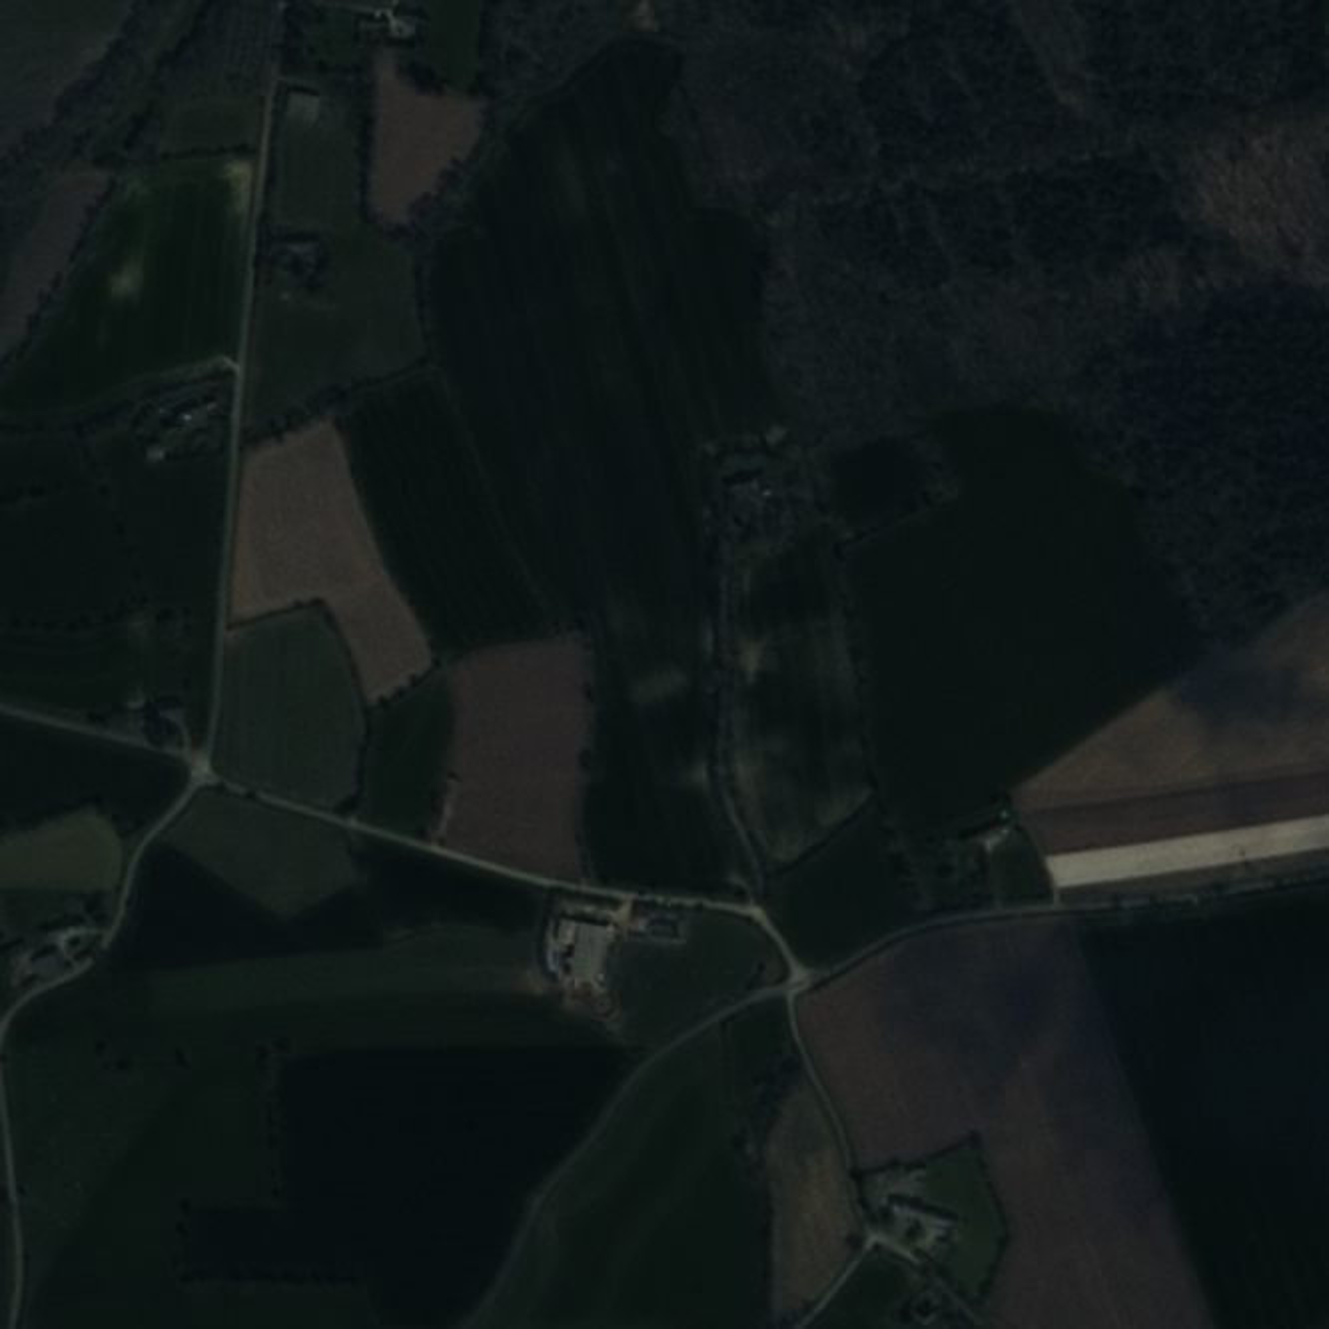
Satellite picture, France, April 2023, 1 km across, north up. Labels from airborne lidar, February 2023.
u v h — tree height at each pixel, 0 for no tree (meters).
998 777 0
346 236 0
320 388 0
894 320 23
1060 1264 0
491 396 0
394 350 0
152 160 10
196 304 0
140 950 0
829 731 0
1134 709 0
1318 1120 0
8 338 0
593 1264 0
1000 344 21
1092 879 0
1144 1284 0
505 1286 0
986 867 17
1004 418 0
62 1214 0
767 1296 12
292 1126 0
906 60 18
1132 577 0
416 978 0
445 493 0
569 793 0
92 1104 0
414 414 0
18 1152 0
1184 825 0
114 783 0
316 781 0
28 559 0
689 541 0
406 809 0
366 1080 0
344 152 0
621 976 0
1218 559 16
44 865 0
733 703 11
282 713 0
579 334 0
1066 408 11
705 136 17
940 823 0
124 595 0
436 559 0
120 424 9
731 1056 0
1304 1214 0
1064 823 0
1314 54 17
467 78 0
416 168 0
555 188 0
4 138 0
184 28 0
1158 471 13
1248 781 0
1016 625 0
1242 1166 0
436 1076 0
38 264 0
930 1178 0
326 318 0
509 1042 0
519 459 0
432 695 0
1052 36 19
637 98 0
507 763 0
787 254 21
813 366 21
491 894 0
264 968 0
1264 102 24
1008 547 0
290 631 0
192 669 0
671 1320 0
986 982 0
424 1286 0
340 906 0
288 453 0
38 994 0
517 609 0
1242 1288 0
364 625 0
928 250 25
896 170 24
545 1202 0
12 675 0
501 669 0
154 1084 0
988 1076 0
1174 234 24
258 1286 11
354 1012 0
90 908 7
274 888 0
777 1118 8
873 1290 0
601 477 0
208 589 0
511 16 11
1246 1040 0
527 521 0
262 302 0
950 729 0
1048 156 23
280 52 19
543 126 0
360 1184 0
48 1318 0
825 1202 0
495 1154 0
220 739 0
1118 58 26
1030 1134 0
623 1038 0
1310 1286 0
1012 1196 0
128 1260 0
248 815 0
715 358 0
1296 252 19
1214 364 25
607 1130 0
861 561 0
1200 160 20
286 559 0
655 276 0
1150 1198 0
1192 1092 0
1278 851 0
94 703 0
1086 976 0
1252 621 18
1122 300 18
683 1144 0
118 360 0
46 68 0
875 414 21
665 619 0
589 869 8
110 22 0
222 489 0
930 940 0
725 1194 0
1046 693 0
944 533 0
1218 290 18
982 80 21
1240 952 0
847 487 0
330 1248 0
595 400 0
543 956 8
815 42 17
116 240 0
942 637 0
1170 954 0
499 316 0
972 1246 0
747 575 0
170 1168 0
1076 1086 0
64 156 13
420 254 12
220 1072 0
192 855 0
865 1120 0
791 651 0
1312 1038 0
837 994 0
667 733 0
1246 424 22
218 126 0
